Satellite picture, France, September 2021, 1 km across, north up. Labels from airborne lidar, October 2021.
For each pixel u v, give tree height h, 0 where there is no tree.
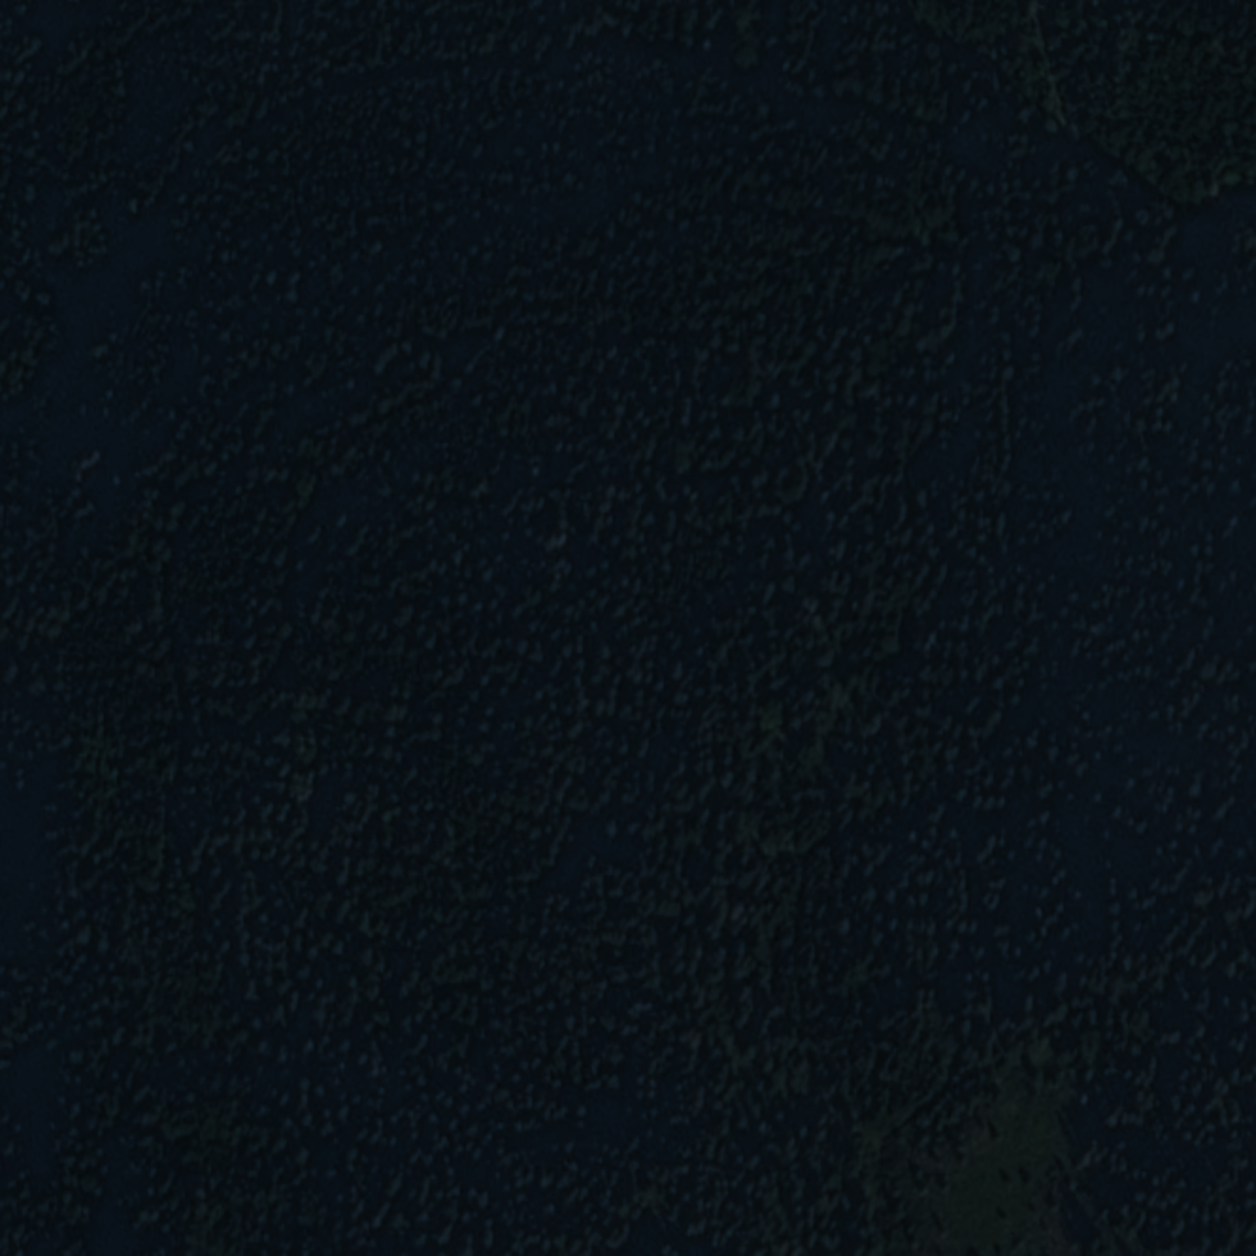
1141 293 15
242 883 37
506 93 23
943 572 19
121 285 17
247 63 21
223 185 23
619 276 25
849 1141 12
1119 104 24
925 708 15
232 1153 15
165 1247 19
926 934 33
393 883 26
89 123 20
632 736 27
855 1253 27
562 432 35
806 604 9
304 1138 12
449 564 29
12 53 32
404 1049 17
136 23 24
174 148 25
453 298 25
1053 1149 0
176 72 20
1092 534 11
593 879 28
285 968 19
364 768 18
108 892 26
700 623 18
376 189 24
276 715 13
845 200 29
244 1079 17
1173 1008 9
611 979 24
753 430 31
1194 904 30
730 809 10
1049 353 20
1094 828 7
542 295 30
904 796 26
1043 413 14
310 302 7
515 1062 20
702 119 32
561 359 28
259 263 22
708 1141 24
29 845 23
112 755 16
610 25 23
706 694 24
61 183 31
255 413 25
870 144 26
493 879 18
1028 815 10
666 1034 18
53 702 21
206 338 38
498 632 12
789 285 26
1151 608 36
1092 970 25
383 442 17
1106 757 24
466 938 26
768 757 13
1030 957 9
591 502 30
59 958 31
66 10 15
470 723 16
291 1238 10
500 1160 30
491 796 20
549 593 32
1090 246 31
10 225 17
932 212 23
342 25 28
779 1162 10
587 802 15
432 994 21
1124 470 36
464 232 21
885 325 34
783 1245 15
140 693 19
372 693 18
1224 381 34
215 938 11
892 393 15
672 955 29
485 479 13
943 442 27
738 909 9
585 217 17
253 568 18
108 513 18
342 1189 9
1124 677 33
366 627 25
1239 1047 30
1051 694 9
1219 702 12
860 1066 20
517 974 14
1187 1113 34
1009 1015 9
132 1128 28
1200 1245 21
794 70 29
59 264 17
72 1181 21
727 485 17
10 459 31
